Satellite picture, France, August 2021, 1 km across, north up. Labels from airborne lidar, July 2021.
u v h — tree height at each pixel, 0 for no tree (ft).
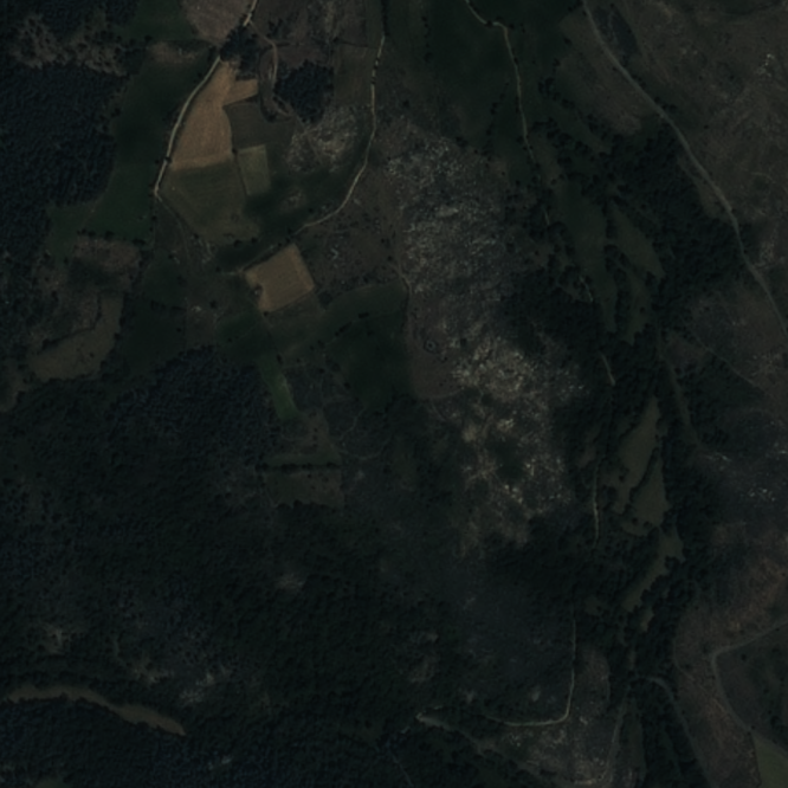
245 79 0
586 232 0
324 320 0
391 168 0
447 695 31
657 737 20
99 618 20
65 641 26
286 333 0
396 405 35
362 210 0
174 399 31
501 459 0
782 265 0
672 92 0
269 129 0
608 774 0
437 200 0
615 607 42
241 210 0
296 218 0
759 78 0
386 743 52
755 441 0
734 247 36
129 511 41
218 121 0
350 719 54
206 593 38
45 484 0
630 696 27
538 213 51
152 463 31
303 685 59
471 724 50
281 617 49
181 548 45
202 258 0
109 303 0
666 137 21
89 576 20
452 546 0
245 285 0
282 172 0
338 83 0
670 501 41
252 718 36
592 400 23
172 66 0
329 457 0
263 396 24
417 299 0
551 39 0
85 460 23
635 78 26
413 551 0
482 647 0
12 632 40
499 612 0
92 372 24
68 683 32
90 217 0
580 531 27
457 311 0
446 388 0
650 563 58
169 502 33
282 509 33
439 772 61
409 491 0
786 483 0
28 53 22
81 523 42
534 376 0
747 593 0
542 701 0
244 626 57
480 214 0
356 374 0
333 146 0
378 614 34
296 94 51
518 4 0
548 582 50
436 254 0
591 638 23
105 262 0
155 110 0
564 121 0
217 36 0
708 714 0
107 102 39
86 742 32
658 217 33
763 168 0
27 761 24
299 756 50
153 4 0
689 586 20
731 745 0
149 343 0
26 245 48
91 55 0
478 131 0
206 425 27
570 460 28
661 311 50
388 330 0
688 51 0
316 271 0
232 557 42
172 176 0
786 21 0
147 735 44
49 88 44
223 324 0
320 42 0
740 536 0
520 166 0
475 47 0
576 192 0
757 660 0
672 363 0
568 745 0
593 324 54
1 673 51
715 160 0
